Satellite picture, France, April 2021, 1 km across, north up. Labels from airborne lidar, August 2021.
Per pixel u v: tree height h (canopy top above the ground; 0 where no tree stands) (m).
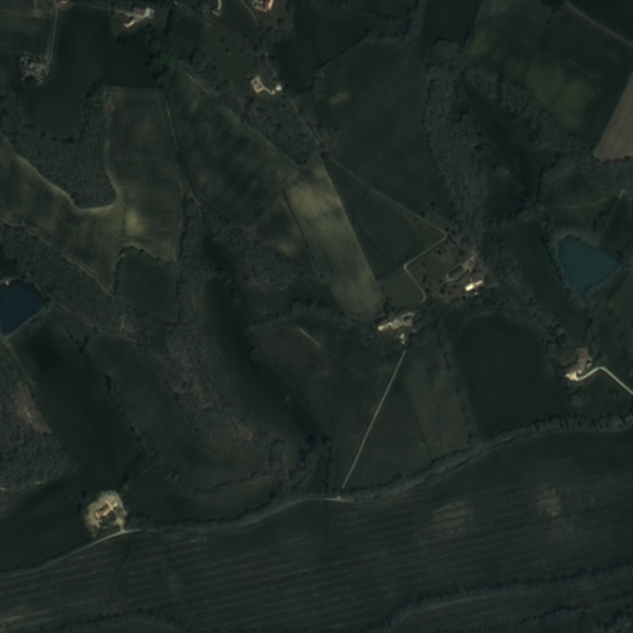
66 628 15
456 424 0
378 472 0
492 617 0
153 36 8
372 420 0
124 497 8
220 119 0
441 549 0
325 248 0
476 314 6
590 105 0
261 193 0
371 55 0
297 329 0
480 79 18
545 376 0
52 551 0
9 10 0
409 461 0
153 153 0
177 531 11
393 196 0
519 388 0
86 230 0
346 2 9
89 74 0
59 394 0
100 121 21
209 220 21
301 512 0
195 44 0
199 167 0
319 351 0
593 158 14
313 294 0
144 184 0
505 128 0
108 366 0
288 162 0
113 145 0
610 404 0
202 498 0
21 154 17
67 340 0
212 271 20
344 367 0
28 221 0
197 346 18
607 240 0
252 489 0
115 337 0
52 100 0
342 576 0
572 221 0
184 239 11
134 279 0
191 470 0
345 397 0
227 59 0
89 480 0
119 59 0
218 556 0
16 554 0
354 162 0
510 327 0
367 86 0
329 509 6
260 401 0
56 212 0
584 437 0
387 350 7
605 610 0
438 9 0
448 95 22
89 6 0
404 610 17
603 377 0
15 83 0
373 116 0
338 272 0
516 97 20
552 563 0
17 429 9
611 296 0
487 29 0
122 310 9
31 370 0
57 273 18
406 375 0
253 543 0
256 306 0
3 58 0
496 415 0
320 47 0
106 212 0
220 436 12
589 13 0
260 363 0
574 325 0
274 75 12
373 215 0
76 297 15
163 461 11
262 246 10
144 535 9
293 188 0
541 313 12
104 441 0
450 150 19
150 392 0
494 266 7
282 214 0
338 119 0
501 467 0
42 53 0
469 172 20
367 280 0
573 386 15
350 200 0
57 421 0
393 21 9
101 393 0
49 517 0
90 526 0
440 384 0
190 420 12
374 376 0
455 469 7
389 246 0
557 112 0
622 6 0
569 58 0
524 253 0
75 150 18
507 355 0
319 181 0
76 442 0
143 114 0
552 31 0
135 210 0
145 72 0
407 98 0
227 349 0
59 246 0
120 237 0
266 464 0
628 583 0
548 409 0
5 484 14
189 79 0
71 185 17
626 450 0
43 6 0
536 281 0
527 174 0
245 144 0
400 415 0
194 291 11
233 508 0
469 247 17
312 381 0
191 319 15
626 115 0
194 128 0
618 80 0
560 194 0
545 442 0
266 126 18
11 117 20
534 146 16
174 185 0
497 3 0
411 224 0
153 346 7
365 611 0
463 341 0
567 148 21
